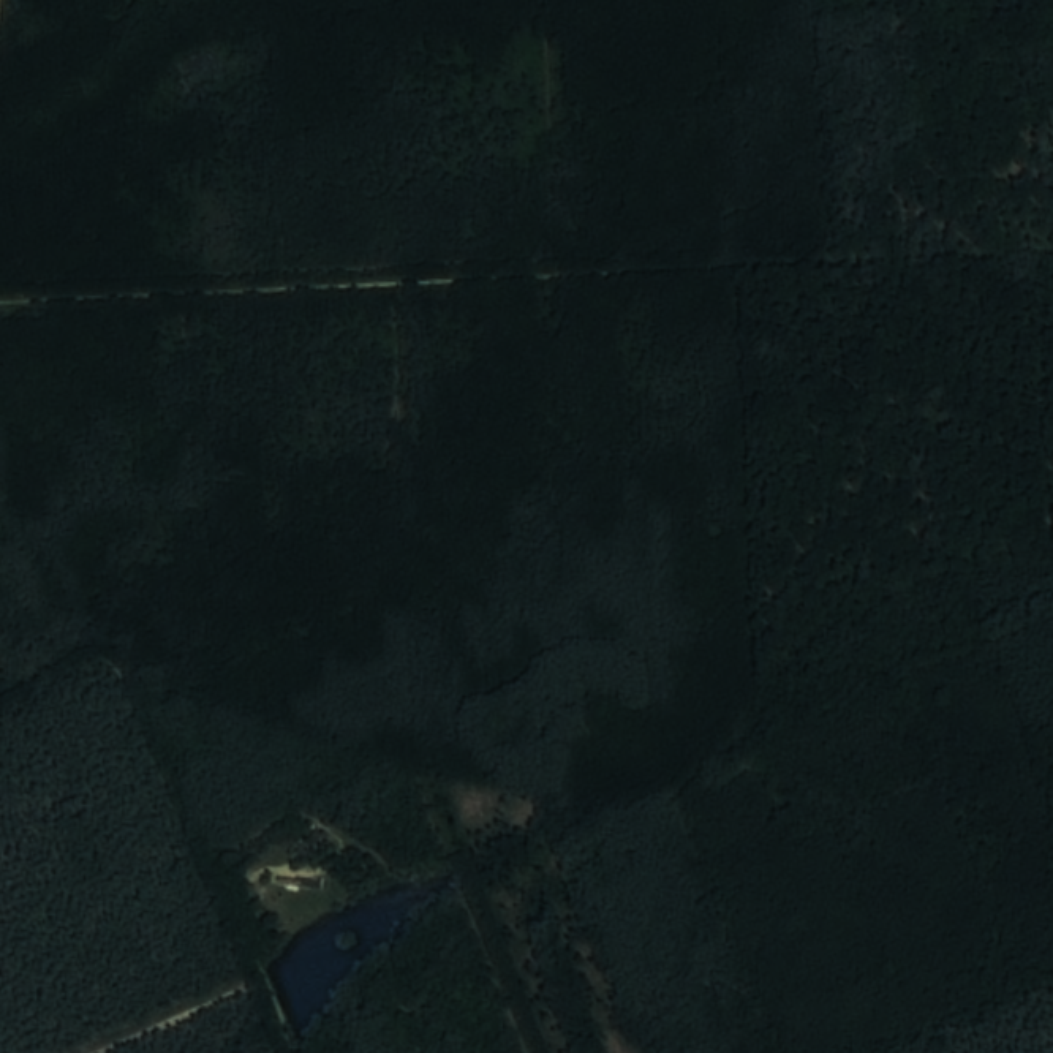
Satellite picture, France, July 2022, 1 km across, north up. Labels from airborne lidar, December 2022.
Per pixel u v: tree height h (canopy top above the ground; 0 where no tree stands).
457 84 7
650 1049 23
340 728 12
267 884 14
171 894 21
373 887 15
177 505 12
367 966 19
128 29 12
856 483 25
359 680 12
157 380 8
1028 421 21
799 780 19
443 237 11
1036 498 29
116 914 23
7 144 10
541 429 6
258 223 10
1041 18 23
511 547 12
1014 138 27
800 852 19
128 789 19
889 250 22
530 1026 8
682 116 10
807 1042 15
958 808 20
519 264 11
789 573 23
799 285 22
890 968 13
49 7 6
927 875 15
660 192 11
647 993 26
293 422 9
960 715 12
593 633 11
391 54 13
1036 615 24
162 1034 18
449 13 11
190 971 21
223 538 9
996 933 19
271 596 12
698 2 14
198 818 23
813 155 10
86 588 7
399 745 11
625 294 12
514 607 13
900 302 23
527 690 21
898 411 22
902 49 19
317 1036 17
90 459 10
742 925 13
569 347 12
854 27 23
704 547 10
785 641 28
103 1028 21
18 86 6
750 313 18
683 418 9
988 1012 21
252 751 24
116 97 7
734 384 10
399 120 13
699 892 26
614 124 11
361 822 23
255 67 7
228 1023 20
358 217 8
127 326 12
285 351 8
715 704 11
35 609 18
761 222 13
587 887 24
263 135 11
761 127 13
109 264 6
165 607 10
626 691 21
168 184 7
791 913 11
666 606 11
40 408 7
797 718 15
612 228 12
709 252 10
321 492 9
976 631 19
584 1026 20
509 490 11
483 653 14
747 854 15
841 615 18
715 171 12
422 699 8
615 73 12
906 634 18
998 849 8
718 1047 23
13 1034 21
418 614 9
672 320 12
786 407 21
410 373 9
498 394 15
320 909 0
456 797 0
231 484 8
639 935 28
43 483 9
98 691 24
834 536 25
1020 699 17
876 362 25
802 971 14
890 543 26
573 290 11
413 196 13
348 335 9
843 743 18
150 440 8
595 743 8
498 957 8
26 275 6
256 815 21
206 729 21
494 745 21
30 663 20
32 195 8
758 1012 17
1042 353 22
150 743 11
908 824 14
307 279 8
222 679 9
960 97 22
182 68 0
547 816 23
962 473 24
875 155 24
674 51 12
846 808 19
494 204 8
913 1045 12
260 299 11
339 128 11
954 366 20
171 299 12
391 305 8
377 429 7
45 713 21
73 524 9
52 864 22
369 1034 27
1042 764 20
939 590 16
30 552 16
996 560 25
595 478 9
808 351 22
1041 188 22
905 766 17
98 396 9
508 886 20
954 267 25
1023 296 23
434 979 23
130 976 19
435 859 18
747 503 7
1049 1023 23
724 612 7
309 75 13
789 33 12
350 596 9
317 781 18
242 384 7
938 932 12
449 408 11
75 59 7
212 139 9
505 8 12
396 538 10
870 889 15
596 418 9
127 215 7
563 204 7
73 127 7
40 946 22
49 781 18
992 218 23
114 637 15
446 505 10
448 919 20
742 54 11
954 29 23
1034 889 15
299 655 8
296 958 0
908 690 21
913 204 21
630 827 26
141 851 24
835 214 18
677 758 14
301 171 10
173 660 7
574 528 9
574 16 11
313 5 11
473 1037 16
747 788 10
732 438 10
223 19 7
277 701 11
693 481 11
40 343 11
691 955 24
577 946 20
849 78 20
